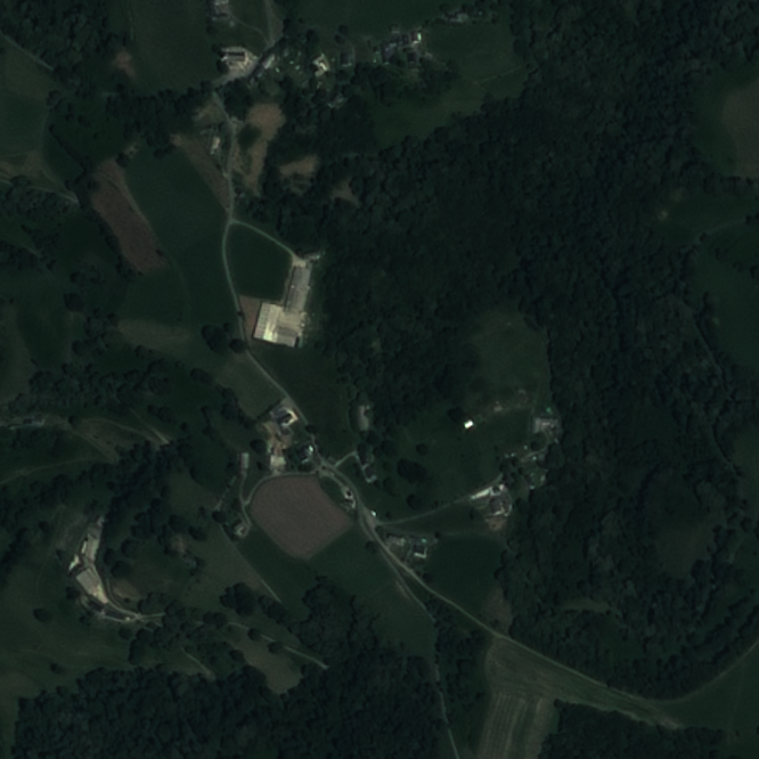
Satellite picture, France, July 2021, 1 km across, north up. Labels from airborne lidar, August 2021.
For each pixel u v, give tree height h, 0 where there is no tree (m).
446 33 0
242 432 0
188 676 23
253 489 0
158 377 21
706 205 0
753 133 0
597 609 0
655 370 23
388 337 22
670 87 25
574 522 14
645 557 14
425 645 0
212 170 0
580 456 29
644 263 22
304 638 24
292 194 9
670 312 16
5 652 0
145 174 0
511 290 8
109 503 0
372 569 0
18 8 14
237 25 0
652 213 23
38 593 0
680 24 13
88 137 0
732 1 25
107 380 19
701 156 21
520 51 13
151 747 23
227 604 20
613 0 18
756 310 0
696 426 25
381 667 17
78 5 5
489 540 0
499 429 0
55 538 0
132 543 7
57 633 0
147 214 0
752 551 0
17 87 0
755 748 0
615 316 11
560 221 20
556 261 21
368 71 14
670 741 8
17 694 0
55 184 0
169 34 0
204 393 0
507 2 14
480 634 14
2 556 0
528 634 18
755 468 0
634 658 0
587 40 11
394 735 14
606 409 29
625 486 14
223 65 15
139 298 0
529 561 15
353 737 22
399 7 0
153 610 24
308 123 21
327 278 12
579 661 19
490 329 0
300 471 8
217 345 21
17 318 0
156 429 0
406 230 18
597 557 20
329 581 13
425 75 10
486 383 0
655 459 15
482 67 0
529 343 0
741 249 0
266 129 0
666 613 28
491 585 0
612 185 22
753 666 0
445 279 22
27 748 14
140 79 0
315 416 0
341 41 17
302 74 0
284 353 0
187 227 0
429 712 11
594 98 20
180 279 0
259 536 0
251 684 23
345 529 0
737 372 26
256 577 0
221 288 0
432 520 0
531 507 17
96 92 17
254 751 15
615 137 8
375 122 6
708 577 19
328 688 29
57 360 0
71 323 0
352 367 22
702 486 22
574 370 21
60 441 13
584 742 24
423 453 12
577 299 22
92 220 15
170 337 0
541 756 11
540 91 21
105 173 0
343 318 15
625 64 9
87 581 0
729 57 26
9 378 0
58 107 10
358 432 8
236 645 0
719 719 0
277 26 0
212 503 0
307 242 21
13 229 0
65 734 20
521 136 22
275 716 28
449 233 19
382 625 13
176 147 9
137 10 0
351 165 30
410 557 0
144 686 28
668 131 23
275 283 0
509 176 23
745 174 0
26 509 19
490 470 0
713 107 0
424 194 25
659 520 19
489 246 20
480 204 21
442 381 15
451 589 0
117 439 0
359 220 22
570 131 21
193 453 17
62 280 0
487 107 17
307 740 17
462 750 0
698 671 22
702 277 0
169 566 0
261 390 0
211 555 0
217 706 24
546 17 13
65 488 27
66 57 25
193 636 18
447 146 20
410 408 19
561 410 12
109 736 23
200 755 22
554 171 23
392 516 12
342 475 0
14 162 0
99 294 0
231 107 13
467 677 17
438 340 21
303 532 0
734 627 18
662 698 17
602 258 23
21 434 18
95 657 0
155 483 21
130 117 10
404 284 25
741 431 16
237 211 0
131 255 0
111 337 16
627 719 15
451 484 0
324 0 0
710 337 18
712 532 0
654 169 24
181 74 0
